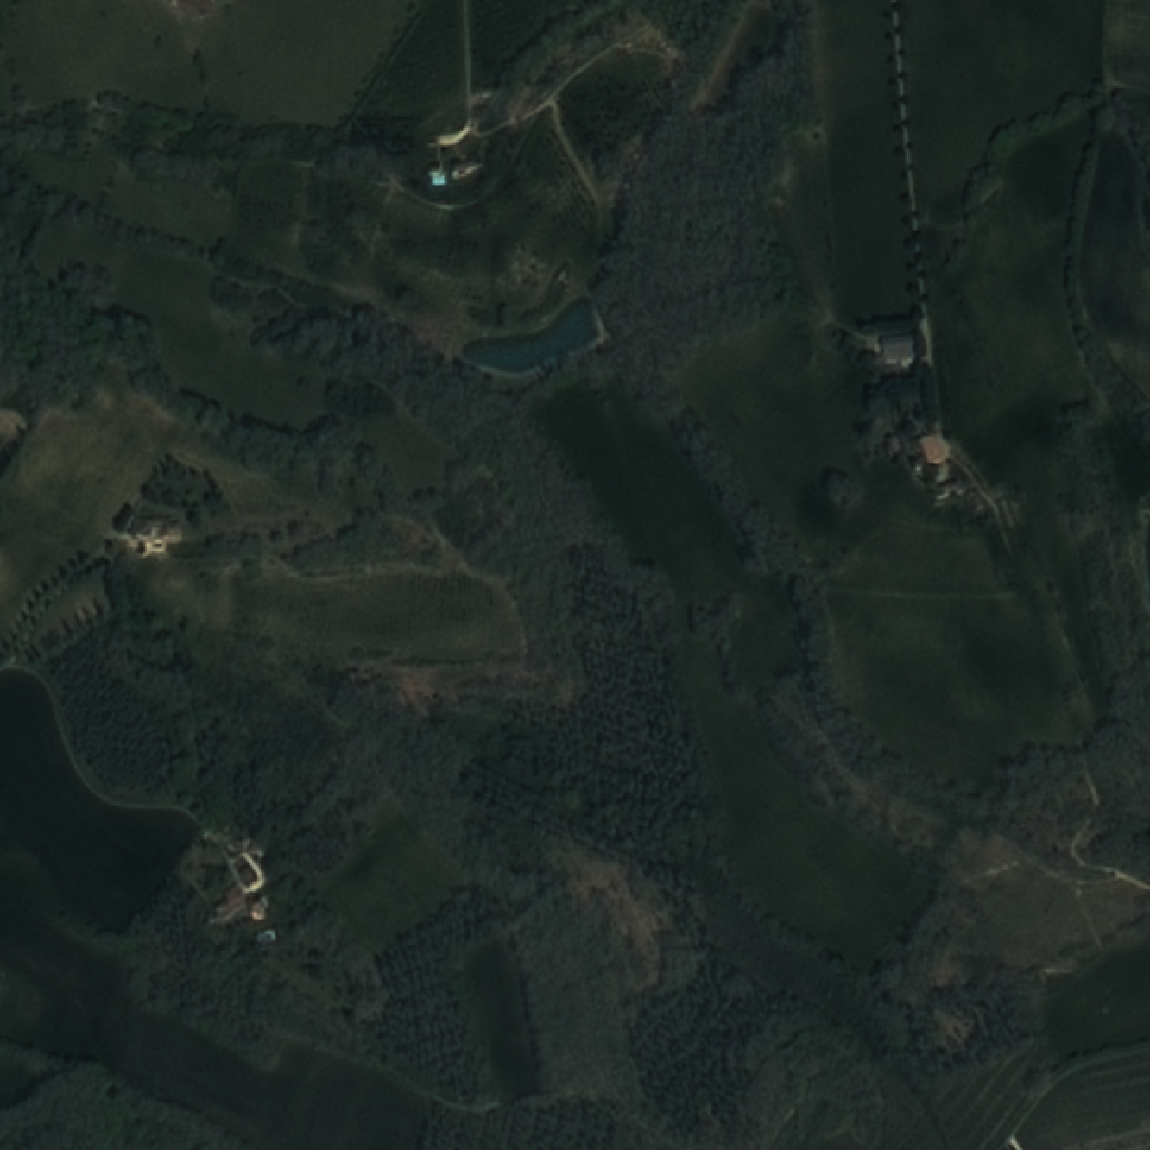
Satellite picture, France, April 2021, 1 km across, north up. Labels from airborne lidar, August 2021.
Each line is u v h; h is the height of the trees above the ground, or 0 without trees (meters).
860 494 12
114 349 19
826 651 16
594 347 0
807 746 8
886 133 0
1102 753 18
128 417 0
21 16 0
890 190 0
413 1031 14
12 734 0
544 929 18
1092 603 9
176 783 11
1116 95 8
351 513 0
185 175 22
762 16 0
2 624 0
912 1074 16
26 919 0
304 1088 0
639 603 14
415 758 18
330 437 18
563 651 11
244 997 9
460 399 21
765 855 0
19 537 0
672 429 11
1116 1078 0
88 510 0
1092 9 0
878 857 0
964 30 0
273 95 0
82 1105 23
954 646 0
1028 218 0
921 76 0
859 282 0
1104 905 0
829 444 0
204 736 11
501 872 21
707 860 9
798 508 0
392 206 0
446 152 7
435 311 0
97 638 11
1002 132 10
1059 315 0
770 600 0
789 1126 17
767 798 0
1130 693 16
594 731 13
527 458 17
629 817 10
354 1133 0
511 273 0
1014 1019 23
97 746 10
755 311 22
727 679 9
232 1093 0
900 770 17
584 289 0
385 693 15
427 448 0
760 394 0
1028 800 18
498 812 14
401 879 0
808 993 7
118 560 9
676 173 21
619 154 15
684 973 19
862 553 0
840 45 0
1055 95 0
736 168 19
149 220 0
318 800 12
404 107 0
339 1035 19
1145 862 14
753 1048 20
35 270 13
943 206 0
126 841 0
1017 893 0
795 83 24
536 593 19
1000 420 0
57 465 0
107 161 0
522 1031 0
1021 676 0
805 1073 18
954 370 0
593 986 24
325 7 0
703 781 13
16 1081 0
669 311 16
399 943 9
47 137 19
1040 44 0
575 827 8
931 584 0
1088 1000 0
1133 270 0
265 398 0
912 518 0
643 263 20
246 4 0
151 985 10
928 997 10
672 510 0
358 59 0
